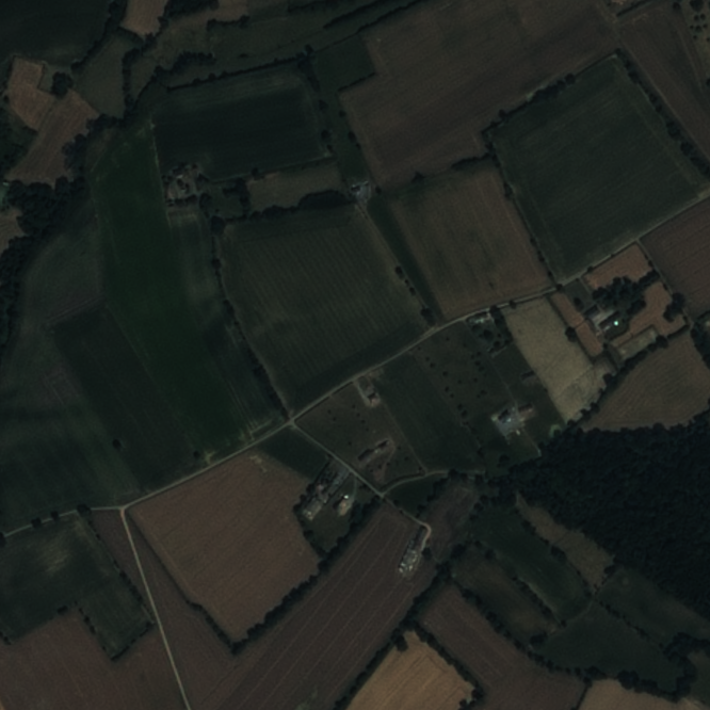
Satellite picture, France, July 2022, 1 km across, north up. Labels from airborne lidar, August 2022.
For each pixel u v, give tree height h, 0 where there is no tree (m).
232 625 0
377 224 0
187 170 19
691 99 0
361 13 12
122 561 0
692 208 0
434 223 0
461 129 0
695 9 9
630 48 0
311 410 0
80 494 0
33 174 0
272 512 0
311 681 0
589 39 0
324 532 0
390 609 0
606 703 0
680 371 0
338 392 0
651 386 0
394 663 0
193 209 0
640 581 0
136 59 14
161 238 0
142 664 0
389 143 0
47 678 0
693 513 18
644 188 0
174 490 0
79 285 0
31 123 0
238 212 0
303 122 0
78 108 0
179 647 0
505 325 13
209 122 0
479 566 0
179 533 0
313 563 0
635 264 0
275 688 0
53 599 0
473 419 0
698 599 24
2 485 0
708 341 25
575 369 0
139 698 0
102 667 0
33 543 0
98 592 0
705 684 0
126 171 0
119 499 0
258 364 12
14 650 0
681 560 18
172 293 0
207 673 0
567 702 0
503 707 0
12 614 0
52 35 0
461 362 0
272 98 0
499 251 0
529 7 0
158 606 0
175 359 0
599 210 0
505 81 0
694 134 0
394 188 0
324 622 0
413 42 0
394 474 0
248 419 0
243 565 0
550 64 0
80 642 0
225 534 0
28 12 0
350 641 0
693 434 8
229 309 9
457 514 0
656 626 0
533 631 0
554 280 6
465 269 0
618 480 21
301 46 0
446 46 0
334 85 0
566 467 21
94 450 0
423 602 16
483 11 0
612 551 16
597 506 17
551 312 0
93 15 0
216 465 0
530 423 0
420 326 0
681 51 0
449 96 0
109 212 0
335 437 0
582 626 0
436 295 0
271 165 0
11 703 0
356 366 0
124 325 0
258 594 0
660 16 0
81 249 0
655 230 0
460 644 0
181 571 0
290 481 0
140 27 0
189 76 0
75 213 0
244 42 0
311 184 0
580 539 0
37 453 0
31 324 0
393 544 0
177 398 0
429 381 0
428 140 0
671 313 16
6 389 0
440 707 0
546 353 0
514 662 0
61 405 0
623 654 0
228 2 0
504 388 0
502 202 0
